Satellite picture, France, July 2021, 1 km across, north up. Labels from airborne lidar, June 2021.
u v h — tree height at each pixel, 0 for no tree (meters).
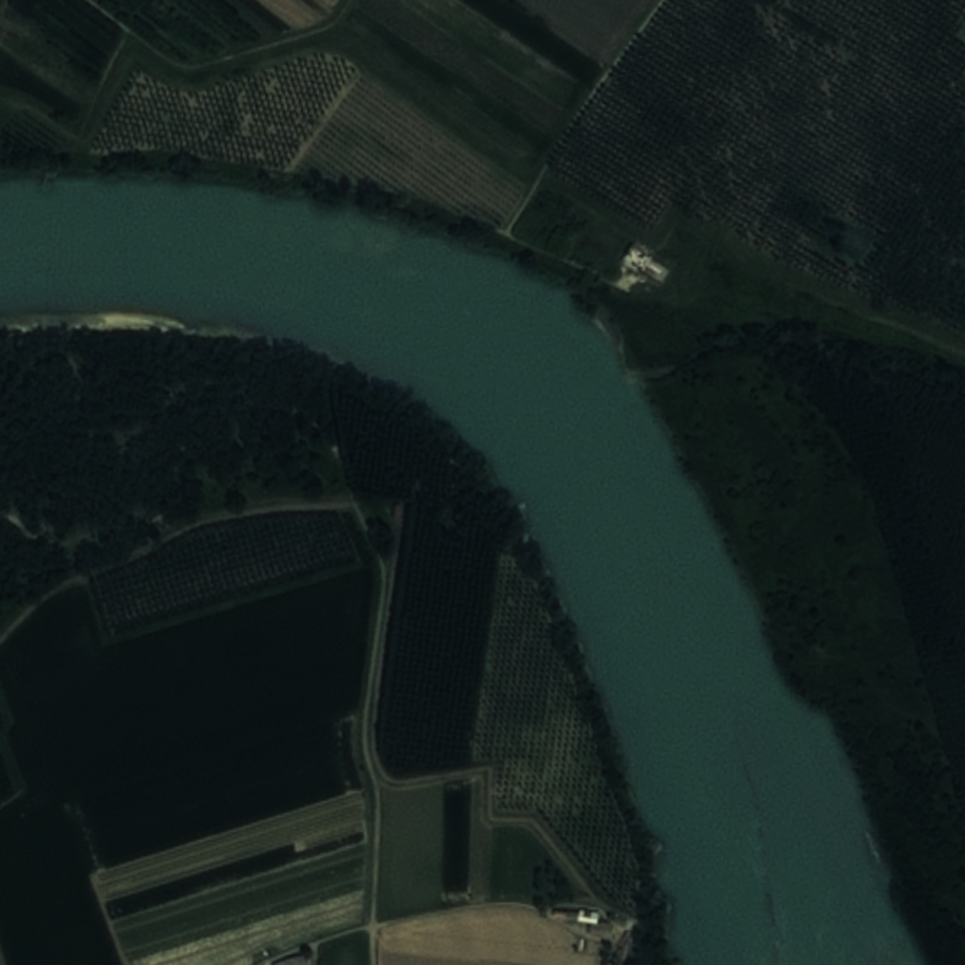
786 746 0
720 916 0
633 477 0
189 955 0
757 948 0
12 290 0
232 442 27
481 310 0
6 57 0
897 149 19
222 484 15
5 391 22
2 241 0
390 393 20
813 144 14
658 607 0
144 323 0
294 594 0
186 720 0
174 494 28
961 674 23
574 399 0
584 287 13
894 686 0
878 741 6
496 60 0
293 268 0
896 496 25
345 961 0
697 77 19
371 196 30
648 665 0
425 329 0
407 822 0
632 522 0
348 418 25
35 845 0
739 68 19
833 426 14
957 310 23
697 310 0
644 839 14
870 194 20
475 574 26
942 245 21
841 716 8
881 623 0
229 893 0
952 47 18
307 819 0
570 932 0
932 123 20
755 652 0
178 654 0
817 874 0
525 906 0
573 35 0
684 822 0
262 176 14
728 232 0
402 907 0
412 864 0
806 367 26
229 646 0
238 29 10
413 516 27
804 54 16
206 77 0
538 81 0
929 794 11
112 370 27
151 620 15
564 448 0
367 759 0
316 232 0
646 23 0
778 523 0
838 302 0
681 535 0
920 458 26
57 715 0
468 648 24
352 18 0
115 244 0
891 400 27
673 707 0
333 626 0
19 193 0
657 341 0
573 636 29
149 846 0
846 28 15
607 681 0
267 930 0
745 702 0
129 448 14
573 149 17
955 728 21
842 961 0
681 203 17
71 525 25
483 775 0
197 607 15
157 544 27
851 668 0
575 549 0
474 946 0
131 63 0
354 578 0
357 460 27
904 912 20
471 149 0
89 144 0
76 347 16
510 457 0
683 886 0
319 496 27
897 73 16
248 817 0
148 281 0
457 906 0
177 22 10
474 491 23
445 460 25
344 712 0
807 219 21
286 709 0
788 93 14
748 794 0
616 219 0
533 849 0
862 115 14
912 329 0
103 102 0
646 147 18
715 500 0
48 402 18
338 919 0
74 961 0
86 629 0
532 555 35
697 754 0
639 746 0
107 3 7
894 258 23
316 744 0
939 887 10
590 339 0
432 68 0
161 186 0
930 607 23
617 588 0
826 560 0
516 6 7
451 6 0
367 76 0
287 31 0
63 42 12
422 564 25
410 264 0
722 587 0
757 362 0
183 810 0
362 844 0
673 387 0
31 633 0
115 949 0
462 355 0
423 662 22
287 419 28
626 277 0
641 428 0
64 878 0
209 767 0
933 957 11
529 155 0
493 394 0
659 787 0
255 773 0
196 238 0
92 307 0
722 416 0
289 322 0
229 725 0
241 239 0
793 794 0
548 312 0
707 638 0
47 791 0
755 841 0
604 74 0
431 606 26
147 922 0
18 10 9
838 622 0
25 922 0
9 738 0
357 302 0
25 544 14
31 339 16
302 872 0
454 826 0
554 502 0
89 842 0
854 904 0
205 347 10
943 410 27
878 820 15
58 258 0
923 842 6
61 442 24
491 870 0
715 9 16
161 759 0
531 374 0
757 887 0
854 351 29
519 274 0
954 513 25
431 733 20
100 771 0
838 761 0
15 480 25
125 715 0
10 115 0
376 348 0
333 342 0
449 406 0
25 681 0
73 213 0
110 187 0
